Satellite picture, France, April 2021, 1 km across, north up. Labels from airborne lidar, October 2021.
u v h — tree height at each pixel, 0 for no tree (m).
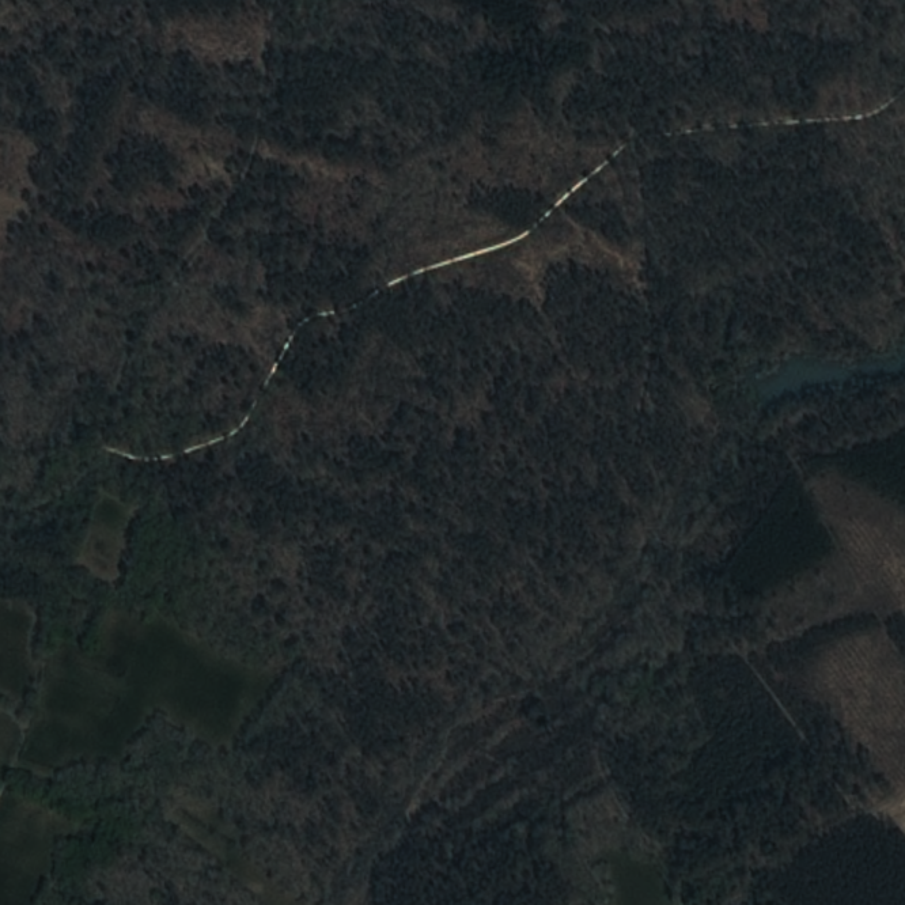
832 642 12
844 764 29
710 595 23
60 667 0
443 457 24
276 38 13
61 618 21
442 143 24
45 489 13
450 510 17
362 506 17
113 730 0
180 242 12
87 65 17
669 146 26
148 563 24
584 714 9
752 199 25
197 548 23
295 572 10
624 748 20
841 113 16
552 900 20
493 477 7
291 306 23
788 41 16
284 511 20
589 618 20
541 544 13
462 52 24
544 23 16
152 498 17
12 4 14
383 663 20
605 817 21
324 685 25
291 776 22
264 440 14
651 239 28
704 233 24
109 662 0
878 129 16
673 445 22
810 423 10
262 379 6
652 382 22
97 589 21
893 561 0
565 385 7
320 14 12
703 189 24
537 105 26
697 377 19
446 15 14
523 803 10
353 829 15
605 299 27
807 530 15
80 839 7
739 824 28
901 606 0
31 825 0
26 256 11
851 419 25
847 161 24
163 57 10
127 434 13
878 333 21
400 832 9
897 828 11
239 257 13
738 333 16
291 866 22
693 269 28
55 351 13
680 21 9
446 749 18
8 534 11
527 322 23
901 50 17
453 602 23
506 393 24
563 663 18
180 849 13
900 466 12
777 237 17
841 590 0
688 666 9
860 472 14
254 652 27
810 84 25
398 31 22
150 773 20
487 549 26
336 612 16
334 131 16
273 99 6
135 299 11
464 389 11
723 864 25
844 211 23
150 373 14
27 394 16
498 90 24
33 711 18
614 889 12
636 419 23
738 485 24
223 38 0
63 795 19
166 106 23
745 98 25
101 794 22
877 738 0
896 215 15
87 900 16
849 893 14
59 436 16
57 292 23
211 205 21
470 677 28
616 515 24
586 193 10
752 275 18
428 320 23
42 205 13
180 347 20
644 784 24
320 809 18
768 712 9
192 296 18
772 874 9
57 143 19
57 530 16
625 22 20
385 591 27
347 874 14
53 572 16
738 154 19
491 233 0
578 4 21
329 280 23
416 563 24
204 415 14
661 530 22
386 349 6
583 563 22
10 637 0
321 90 25
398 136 11
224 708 0
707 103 26
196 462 9
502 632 21
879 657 0
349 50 25
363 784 21
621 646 23
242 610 15
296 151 23
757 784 12
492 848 18
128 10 7
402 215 10
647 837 21
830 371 0
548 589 13
